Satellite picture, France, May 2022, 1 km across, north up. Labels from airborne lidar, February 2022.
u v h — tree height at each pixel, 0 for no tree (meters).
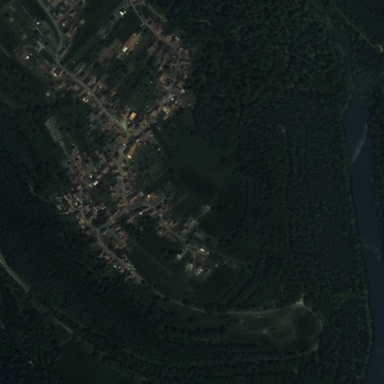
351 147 0
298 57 39
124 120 0
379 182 23
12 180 22
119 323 27
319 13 11
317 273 31
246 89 21
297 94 31
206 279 0
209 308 22
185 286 0
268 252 22
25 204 21
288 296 11
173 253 16
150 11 0
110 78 7
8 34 0
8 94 7
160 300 13
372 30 24
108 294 23
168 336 7
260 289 10
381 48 0
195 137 12
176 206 0
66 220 0
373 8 15
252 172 15
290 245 20
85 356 0
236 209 0
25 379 28
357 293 28
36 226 25
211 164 0
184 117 0
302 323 0
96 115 0
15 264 23
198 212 0
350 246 28
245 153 25
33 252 20
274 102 30
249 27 31
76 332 24
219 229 0
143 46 0
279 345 0
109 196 0
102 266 12
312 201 27
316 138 31
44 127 13
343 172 30
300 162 29
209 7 36
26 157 14
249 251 0
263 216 24
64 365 0
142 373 20
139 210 0
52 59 0
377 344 0
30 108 10
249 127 29
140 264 0
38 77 0
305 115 32
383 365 0
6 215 21
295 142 26
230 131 34
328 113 34
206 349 17
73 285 24
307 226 41
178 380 24
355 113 0
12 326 26
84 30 0
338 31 0
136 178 0
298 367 8
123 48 0
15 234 18
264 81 31
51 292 16
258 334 0
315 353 15
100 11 0
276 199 27
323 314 19
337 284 33
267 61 26
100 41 6
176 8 29
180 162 0
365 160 0
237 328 0
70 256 25
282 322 0
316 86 0
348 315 38
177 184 6
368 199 0
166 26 0
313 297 22
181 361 17
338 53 0
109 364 34
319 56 30
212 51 21
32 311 0
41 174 21
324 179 33
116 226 0
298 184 31
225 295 9
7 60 0
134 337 21
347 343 33
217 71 9
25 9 0
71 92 9
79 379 0
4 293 0
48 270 24
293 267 25
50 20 0
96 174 0
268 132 29
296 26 34
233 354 22
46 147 0
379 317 0
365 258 0
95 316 19
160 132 0
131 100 0
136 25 0
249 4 30
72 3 0
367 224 0
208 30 21
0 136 19
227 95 40
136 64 6
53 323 26
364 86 0
